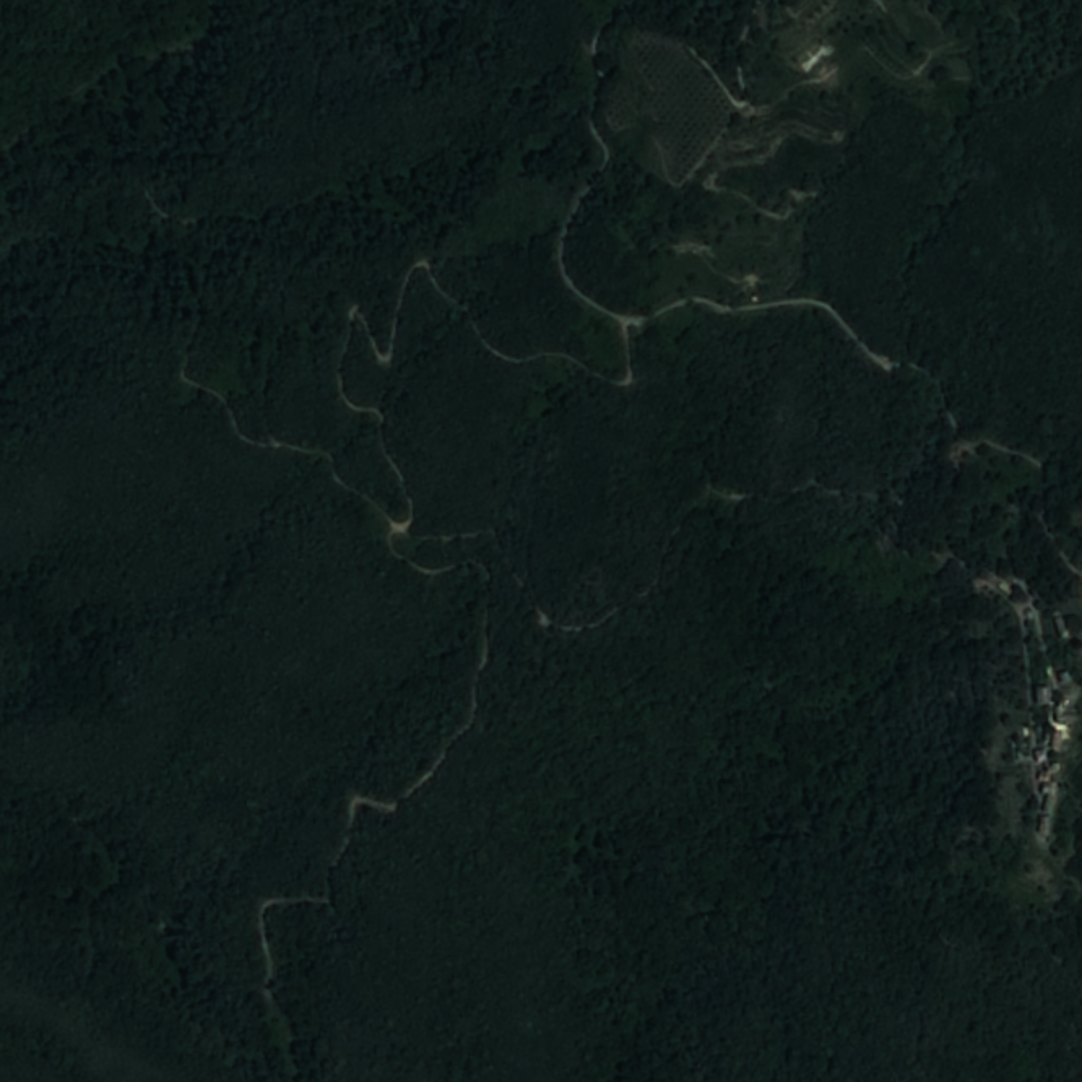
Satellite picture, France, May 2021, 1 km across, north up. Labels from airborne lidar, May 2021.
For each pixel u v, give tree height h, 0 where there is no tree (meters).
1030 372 8
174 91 18
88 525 5
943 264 6
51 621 16
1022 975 13
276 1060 18
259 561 14
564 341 7
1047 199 8
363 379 8
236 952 8
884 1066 8
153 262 23
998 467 9
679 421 14
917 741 10
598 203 13
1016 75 11
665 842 17
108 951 19
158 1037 14
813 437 8
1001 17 17
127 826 18
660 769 6
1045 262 8
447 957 9
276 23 16
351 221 15
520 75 8
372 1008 6
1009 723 10
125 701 14
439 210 18
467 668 11
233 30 25
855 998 14
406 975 7
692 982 17
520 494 10
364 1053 7
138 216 7
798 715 23
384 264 9
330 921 12
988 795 15
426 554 8
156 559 8
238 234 18
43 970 13
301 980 9
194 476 7
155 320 9
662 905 18
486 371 6
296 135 8
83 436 7
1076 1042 7
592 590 7
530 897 6
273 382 11
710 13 13
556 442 10
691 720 18
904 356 11
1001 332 9
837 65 0
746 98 10
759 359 12
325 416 8
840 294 7
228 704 7
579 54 7
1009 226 8
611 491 11
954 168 8
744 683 17
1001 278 8
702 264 0
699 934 24
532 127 8
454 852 14
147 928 21
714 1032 10
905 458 9
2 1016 9
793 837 21
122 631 23
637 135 0
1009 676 9
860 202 5
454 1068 19
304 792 18
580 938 11
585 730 6
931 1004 11
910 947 11
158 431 10
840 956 10
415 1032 8
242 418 6
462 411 8
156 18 21
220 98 22
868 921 12
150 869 29
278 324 11
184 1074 9
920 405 19
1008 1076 8
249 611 7
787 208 7
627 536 9
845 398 9
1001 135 7
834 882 11
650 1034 31
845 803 20
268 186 8
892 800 13
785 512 9
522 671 12
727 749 10
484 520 8
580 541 6
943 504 8
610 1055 27
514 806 10
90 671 24
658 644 13
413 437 8
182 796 9
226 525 8
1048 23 18
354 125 9
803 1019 19
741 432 12
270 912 10
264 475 6
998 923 17
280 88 11
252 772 9
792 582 16
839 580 12
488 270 9
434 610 9
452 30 20
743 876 25
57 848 23
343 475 7
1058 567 13
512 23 11
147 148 18
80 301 16
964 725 13
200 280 16
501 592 7
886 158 6
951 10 14
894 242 7
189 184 10
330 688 7
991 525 14
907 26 0
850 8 0
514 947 7
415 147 6
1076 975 6
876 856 14
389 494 9
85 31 16
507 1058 7
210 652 9
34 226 12
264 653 7
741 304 12
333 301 15
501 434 7
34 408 12
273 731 11
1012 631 9
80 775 8
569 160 18
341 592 6
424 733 13
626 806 12
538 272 7
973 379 8
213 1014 25
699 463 9
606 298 8
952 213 12
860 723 15
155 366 11
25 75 11
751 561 17
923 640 10
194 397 9
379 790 10
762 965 11
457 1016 12
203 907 16
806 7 0
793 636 16
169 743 7
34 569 12
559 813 10
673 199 6
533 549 10
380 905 8
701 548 15
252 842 21
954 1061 9
